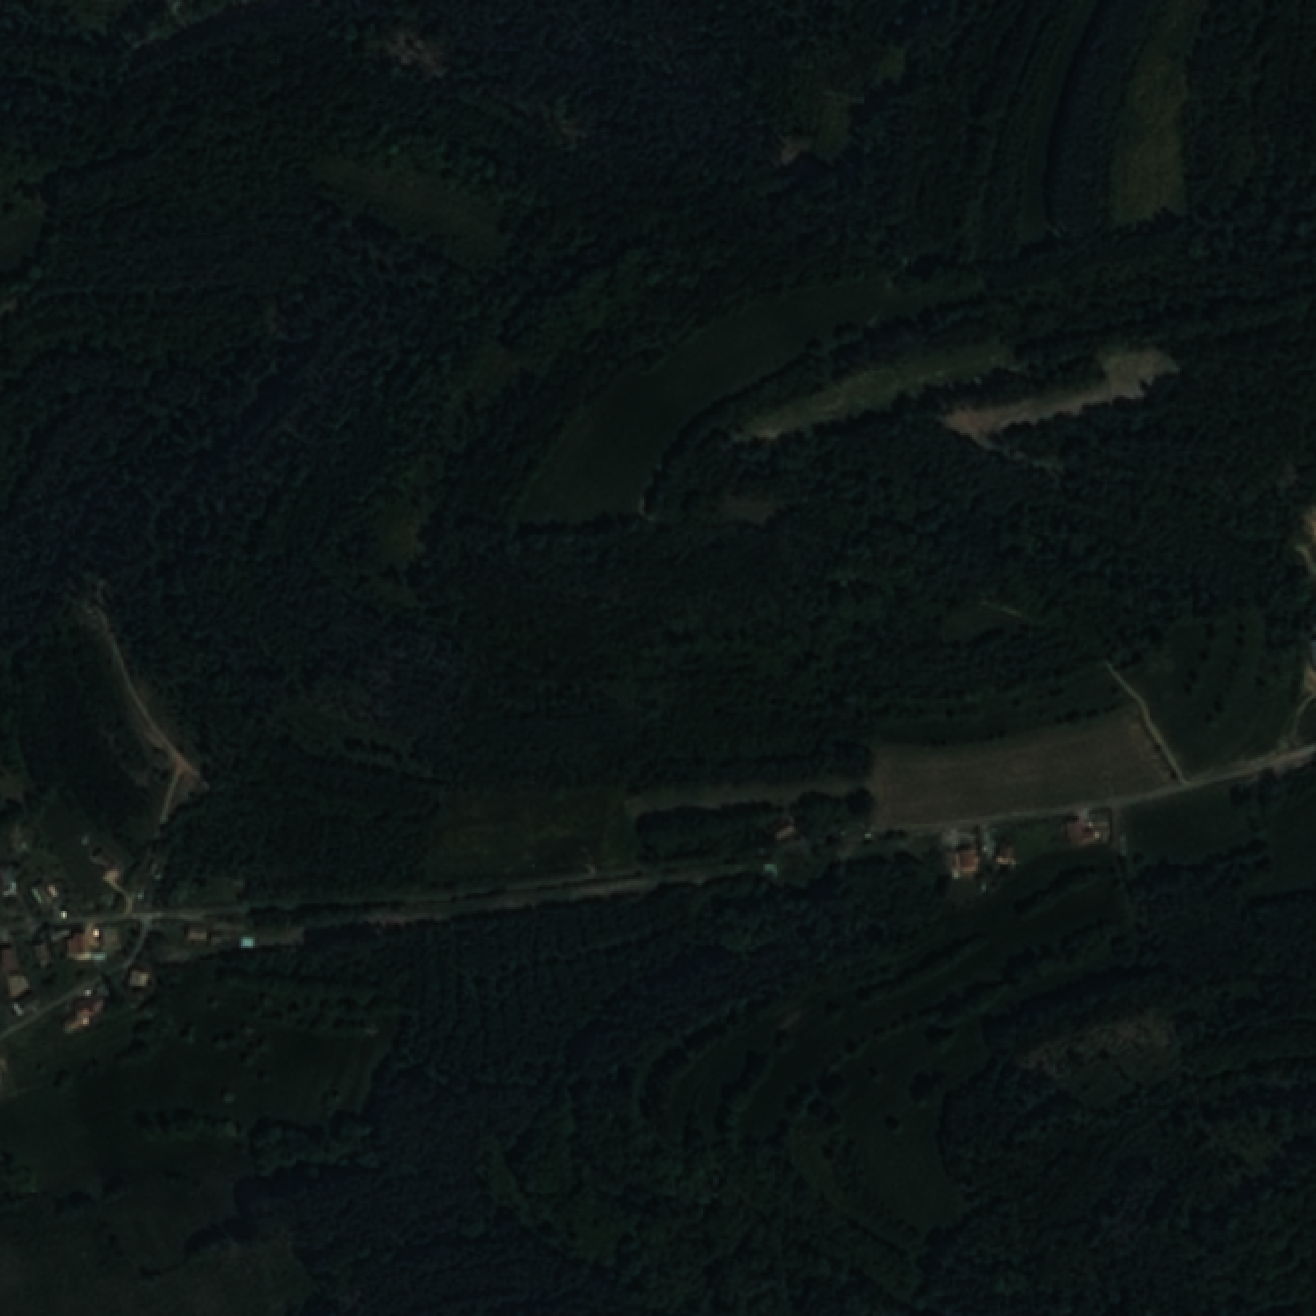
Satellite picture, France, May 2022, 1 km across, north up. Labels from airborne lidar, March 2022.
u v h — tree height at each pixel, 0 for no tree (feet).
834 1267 67
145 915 0
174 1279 0
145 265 76
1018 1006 0
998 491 66
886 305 0
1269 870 41
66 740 51
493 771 52
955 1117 30
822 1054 0
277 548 45
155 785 0
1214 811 0
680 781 69
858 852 0
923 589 67
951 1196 0
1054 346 65
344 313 95
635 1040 93
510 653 46
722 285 57
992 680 22
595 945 36
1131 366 0
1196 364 50
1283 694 0
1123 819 0
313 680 60
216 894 0
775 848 52
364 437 48
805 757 57
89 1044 0
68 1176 0
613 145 71
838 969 24
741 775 68
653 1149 29
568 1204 88
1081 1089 0
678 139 82
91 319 51
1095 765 0
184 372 97
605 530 64
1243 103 21
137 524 102
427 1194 104
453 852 0
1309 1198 69
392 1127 86
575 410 43
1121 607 27
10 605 96
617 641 65
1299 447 60
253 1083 0
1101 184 37
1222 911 54
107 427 94
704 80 78
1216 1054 46
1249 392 55
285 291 52
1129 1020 51
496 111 65
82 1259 0
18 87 78
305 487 61
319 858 29
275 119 21
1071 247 52
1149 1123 18
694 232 38
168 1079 0
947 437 67
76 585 119
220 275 70
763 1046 0
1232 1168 28
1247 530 57
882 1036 20
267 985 50
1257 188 31
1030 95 30
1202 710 0
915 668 22
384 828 41
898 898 67
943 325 59
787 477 54
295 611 82
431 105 49
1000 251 28
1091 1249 52
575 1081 26
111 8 0
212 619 63
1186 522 18
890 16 22
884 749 0
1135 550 21
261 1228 98
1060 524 58
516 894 0
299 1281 0
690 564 49
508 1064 36
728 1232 82
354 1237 99
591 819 0
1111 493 62
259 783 45
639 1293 83
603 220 41
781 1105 0
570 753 35
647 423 0
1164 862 0
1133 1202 65
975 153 38
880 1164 0
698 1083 0
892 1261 86
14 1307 0
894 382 0
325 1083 0
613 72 93
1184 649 0
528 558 70
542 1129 90
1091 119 62
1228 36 39
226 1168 0
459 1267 72
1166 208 0
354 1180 107
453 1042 43
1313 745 0
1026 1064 62
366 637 58
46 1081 0
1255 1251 84
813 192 86
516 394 40
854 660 30
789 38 84
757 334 0
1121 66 60
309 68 63
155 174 28
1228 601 18
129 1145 0
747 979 90
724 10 51
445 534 66
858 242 32
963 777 0
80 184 76
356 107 35
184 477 83
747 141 81
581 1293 88
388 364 46
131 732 27
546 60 108
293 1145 73
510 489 33
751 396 33
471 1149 100
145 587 57
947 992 0
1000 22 23
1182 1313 52
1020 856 0
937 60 19
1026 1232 56
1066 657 27
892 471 65
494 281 39
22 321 49
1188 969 66
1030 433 49
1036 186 0
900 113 67
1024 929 0
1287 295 79
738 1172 22
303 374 83
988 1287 85
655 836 75
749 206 58
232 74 61
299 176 49
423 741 31
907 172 22
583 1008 43
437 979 43
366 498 63
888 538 88
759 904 78
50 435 107
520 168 61
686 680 51
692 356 0
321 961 27
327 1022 25
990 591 41
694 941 37
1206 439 72
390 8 83
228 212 42
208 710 53
